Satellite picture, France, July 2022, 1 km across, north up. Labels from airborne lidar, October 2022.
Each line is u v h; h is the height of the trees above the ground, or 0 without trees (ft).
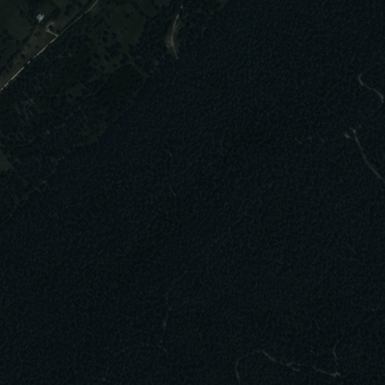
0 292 95
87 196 55
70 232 97
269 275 54
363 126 86
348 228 70
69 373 79
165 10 56
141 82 45
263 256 59
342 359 47
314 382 65
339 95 37
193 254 38
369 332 101
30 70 22
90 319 35
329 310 50
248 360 42
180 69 94
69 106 19
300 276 75
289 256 37
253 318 39
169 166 108
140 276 60
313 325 73
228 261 75
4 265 103
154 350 81
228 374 30
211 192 24
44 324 62
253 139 52
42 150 19
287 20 78
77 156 108
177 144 96
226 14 40
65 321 56
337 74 40
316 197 69
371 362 89
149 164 63
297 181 83
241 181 86
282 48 68
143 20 0
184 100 88
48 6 0
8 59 23
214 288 83
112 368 41
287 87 72
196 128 82
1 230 83
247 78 83
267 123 79
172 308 80
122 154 105
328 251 75
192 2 19
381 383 96
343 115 75
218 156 35
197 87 98
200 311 68
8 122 49
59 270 62
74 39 41
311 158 46
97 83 55
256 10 50
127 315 29
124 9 0
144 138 99
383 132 62
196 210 46
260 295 46
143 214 71
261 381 60
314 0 74
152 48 79
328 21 76
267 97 28
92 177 97
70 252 71
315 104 73
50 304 68
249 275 56
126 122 71
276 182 84
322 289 31
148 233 25
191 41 43
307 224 67
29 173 62
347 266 75
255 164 44
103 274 63
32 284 60
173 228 26
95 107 88
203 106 34
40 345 38
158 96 40
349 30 84
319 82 37
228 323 73
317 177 42
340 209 53
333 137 80
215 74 80
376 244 100
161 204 85
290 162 85
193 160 88
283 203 65
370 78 74
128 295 35
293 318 54
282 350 84
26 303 51
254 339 46
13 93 52
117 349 89
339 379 21
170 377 68
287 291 50
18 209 21
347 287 64
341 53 73
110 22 0
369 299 78
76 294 43
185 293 69
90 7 0
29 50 0
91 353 73
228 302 94
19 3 0
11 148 35
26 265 100
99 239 36
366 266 70
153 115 95
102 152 85
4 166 0
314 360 65
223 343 57
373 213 77
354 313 62
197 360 34
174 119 102
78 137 25
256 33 73
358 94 71
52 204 64
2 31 0
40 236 100
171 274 23
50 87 20
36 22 24
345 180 84
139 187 110
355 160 52
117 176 111
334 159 73
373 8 101
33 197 89
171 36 0
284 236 77
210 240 64
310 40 31
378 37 33
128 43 0
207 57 107
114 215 101
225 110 78
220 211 71
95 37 0
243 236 72
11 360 65
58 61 42
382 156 95
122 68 18
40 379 51
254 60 87
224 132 32
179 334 52
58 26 0
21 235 88
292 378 47
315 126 65
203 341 30
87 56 23
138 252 43
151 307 80
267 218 67
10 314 43
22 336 116
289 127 81
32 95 44
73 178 29
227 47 67
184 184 93
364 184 76
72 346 32
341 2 78
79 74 31
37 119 26
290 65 50
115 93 37
